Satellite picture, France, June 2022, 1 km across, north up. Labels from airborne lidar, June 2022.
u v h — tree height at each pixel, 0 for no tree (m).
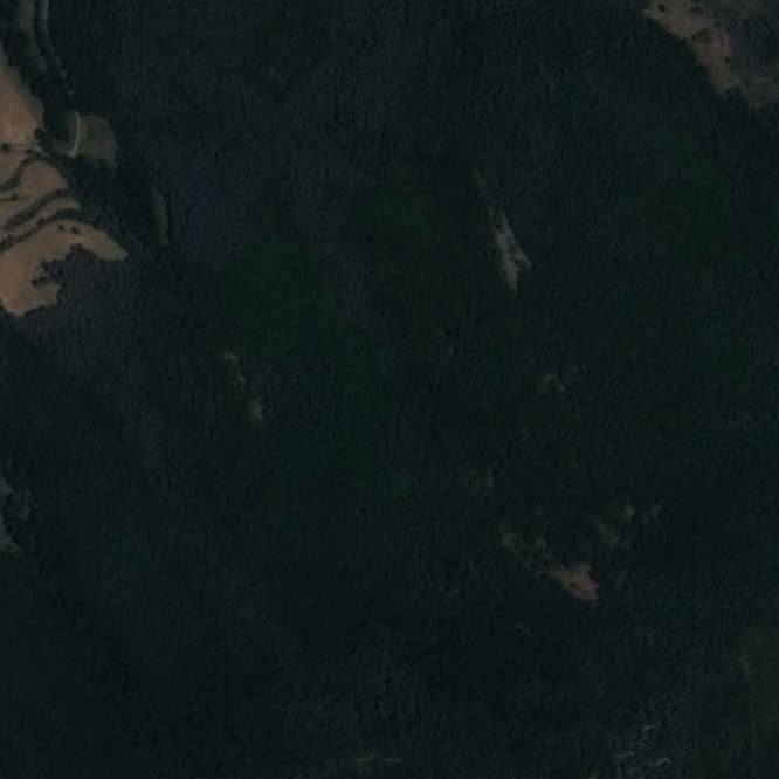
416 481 14
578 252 18
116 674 28
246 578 19
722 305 16
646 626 11
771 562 9
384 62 22
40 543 24
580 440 19
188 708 24
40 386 10
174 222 19
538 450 14
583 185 13
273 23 10
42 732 15
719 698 18
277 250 14
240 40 17
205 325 19
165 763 23
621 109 19
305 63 16
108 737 25
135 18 18
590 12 29
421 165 22
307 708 28
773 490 14
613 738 18
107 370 26
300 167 13
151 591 12
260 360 8
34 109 0
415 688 13
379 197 20
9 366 10
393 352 16
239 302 12
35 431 12
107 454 13
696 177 19
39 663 19
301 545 25
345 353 13
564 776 16
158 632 13
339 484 20
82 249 13
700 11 17
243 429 21
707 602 7
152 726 21
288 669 19
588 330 16
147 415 19
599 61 17
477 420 22
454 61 27
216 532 22
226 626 17
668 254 15
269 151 20
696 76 23
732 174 17
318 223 11
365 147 20
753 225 18
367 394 15
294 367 14
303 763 10
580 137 14
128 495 15
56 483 15
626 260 15
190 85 12
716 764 15
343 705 29
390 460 19
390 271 16
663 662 8
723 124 14
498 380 22
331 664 21
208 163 15
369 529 18
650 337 16
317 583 28
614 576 7
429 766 11
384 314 18
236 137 11
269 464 22
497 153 18
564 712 14
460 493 15
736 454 17
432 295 25
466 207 24
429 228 17
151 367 21
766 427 17
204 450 31
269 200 15
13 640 15
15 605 22
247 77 19
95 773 23
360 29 18
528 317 14
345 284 13
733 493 16
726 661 10
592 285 11
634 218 16
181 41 12
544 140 15
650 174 19
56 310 16
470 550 15
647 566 16
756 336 18
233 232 18
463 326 22
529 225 18
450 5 23
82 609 22
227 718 13
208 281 15
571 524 17
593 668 12
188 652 17
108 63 14
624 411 15
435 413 19
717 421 13
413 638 17
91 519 12
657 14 0
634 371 14
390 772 16
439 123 23
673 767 24
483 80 25
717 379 14
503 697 9
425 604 16
